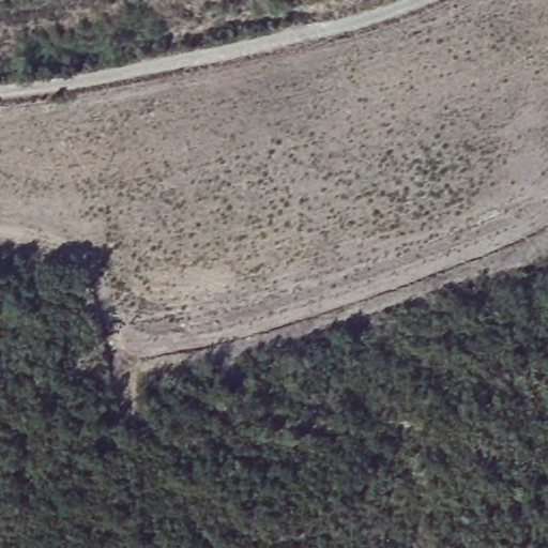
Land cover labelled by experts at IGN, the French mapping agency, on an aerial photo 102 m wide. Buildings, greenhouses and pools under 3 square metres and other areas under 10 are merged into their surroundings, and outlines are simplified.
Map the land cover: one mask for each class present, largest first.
<instances>
[{"label":"brushwood","instance_id":"1","mask_svg":"<svg viewBox=\"0 0 548 548\"><path fill-rule=\"evenodd\" d=\"M274 4H287L285 17L227 21L199 34L171 36L165 17L158 15L143 0H0V83H32L47 81L54 77H75L79 73L126 66L148 58L218 47L242 39H257L298 24H313L315 13L295 11V0H272ZM111 259L109 248L94 246L92 242H66L54 250L41 248L36 242L15 244L9 240L0 244V548H548V255L539 257L531 265L497 272L494 276L488 274V270H482L477 278L465 283H450L443 289L426 293L424 298L405 300L379 313H357L347 321H334L328 328L315 330L300 338L278 336L270 343H257L255 347H248L240 357L231 355L229 338L212 345L180 349V355H184L182 364H165L143 372V377L139 379L137 396L128 398L124 390L128 385V372L118 377V370L113 366V347L109 345V336L116 328V310L113 306L103 304L98 293L101 276L109 268Z\"/></svg>","mask_w":548,"mask_h":548},{"label":"vineyard","instance_id":"2","mask_svg":"<svg viewBox=\"0 0 548 548\"><path fill-rule=\"evenodd\" d=\"M9 240L15 244L36 242L41 248L54 250L66 242H92L94 246L109 248L111 259L109 268L101 276L98 293L103 304L113 306L116 310V328L109 336V345L113 347V366L118 370V377L128 372V385L124 390L128 398L137 396L139 379L143 377V372L165 364H182L184 355H180V349L212 345L229 338L231 355L240 357L248 347H255L257 343H270L278 336L300 338L315 330L328 328L334 321H347L357 313H379L405 300L424 298L426 293L443 289L450 283H465L477 278L482 270H488V274L494 276L497 272L531 265L539 257L548 255V0H435L420 9L407 11L402 15L357 30L291 43L270 51L248 54L197 66H180L171 71L96 86H83L73 90L60 88L58 92L0 98V244Z\"/></svg>","mask_w":548,"mask_h":548},{"label":"pervious surface","instance_id":"3","mask_svg":"<svg viewBox=\"0 0 548 548\"><path fill-rule=\"evenodd\" d=\"M372 6L370 11L347 15L343 19L313 24H298L257 39H242L218 47L148 58L126 66L79 73L75 77H54L47 81L32 83H0V98L58 92L60 88L73 90L83 86H96L171 71L180 66H197L248 54L270 51L291 43L357 30L402 15L407 11L420 9L435 0H366Z\"/></svg>","mask_w":548,"mask_h":548},{"label":"herbaceous vegetation","instance_id":"4","mask_svg":"<svg viewBox=\"0 0 548 548\"><path fill-rule=\"evenodd\" d=\"M158 15L165 17L171 36L199 34L227 21L285 17L287 4H274L272 0H143ZM372 6L366 0H295V11L315 13L313 24L343 19L347 15L370 11Z\"/></svg>","mask_w":548,"mask_h":548}]
</instances>
